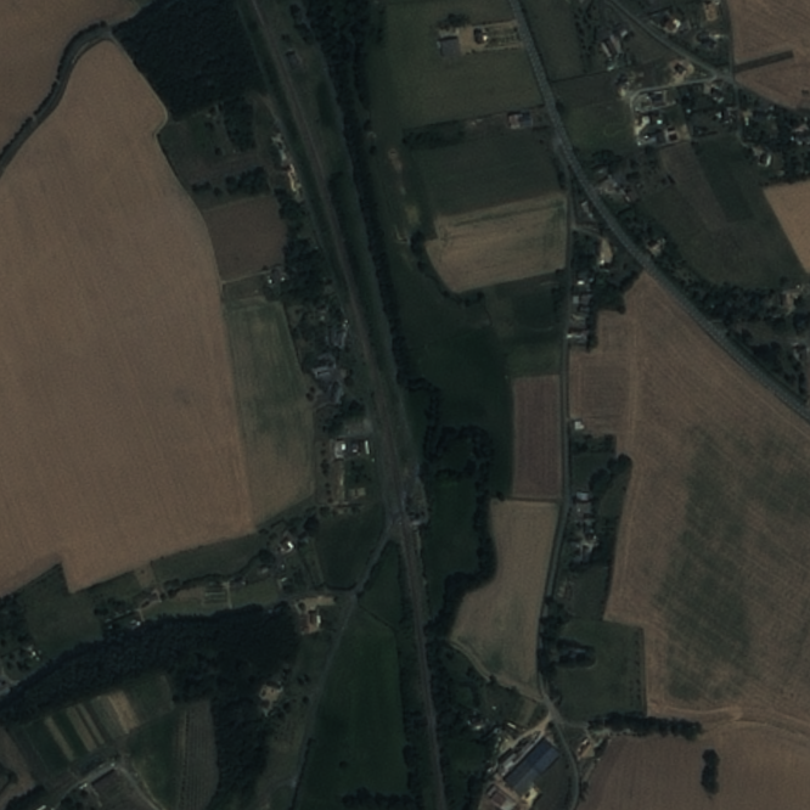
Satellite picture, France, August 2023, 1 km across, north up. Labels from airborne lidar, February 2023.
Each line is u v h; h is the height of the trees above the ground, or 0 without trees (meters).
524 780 0
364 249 0
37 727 0
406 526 0
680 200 0
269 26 0
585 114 0
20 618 13
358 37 18
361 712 0
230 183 11
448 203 0
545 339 0
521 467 0
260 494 0
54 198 0
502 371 0
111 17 0
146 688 0
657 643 0
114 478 0
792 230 0
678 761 0
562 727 0
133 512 0
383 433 0
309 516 8
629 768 0
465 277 0
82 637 0
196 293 0
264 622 10
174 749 0
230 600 0
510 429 0
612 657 0
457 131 0
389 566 0
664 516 0
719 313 8
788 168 7
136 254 0
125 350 0
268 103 0
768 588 0
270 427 0
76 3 0
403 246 0
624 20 0
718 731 0
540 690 0
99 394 0
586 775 0
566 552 0
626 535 0
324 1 6
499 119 0
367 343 0
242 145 7
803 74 0
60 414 0
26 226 0
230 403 0
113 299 0
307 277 14
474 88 0
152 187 0
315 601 0
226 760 6
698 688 0
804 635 0
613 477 6
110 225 0
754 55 0
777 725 0
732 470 0
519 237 0
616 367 0
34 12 0
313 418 0
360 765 0
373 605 0
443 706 11
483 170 0
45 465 0
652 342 0
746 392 0
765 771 0
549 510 0
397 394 0
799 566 0
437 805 0
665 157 0
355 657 0
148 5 0
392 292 14
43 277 0
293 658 10
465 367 0
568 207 0
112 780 0
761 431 0
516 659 0
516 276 0
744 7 0
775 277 0
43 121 0
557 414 0
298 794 8
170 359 0
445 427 0
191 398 0
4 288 0
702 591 0
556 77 0
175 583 6
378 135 0
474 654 0
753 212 0
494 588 0
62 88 0
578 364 0
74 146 0
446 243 0
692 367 0
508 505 0
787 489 0
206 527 0
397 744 0
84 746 0
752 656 0
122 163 0
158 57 19
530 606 0
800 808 0
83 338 0
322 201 0
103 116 0
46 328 0
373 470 0
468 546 0
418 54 0
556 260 0
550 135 0
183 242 0
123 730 0
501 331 0
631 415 0
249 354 0
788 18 0
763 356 13
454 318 0
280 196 12
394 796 0
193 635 14
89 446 0
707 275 0
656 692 0
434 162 0
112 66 0
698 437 0
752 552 0
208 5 15
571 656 8
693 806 0
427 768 0
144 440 0
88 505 0
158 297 0
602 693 0
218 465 0
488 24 0
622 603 0
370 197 15
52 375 0
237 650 16
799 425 0
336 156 0
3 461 0
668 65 0
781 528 0
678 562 0
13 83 0
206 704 0
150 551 0
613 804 0
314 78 0
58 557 0
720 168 0
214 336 0
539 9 0
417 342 0
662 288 0
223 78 12
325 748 0
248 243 0
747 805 0
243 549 0
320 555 0
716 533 0
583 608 0
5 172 0
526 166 0
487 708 0
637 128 0
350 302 0
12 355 0
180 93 16
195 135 0
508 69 0
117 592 0
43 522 0
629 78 0
